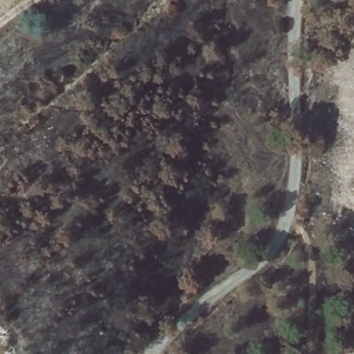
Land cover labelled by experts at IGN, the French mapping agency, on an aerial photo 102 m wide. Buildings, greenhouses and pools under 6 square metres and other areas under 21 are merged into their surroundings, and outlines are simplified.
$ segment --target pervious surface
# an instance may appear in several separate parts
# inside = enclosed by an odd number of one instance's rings
[[[301,159],[296,155],[290,156],[290,160],[288,189],[299,191]]]
[[[288,61],[293,61],[293,50],[301,44],[303,0],[289,0],[288,11],[289,17],[293,18],[293,28],[288,32]]]
[[[151,344],[144,354],[162,354],[171,342],[170,337],[166,336]]]
[[[41,0],[0,0],[0,28]]]
[[[300,97],[300,77],[295,75],[295,69],[292,68],[288,71],[289,102]]]
[[[295,220],[296,207],[290,207],[278,220],[277,228],[279,231],[296,232],[301,235],[304,243],[310,245],[308,235],[303,225]]]
[[[224,282],[207,290],[199,299],[199,303],[214,304],[235,286],[241,285],[243,281],[267,267],[267,261],[265,261],[260,261],[252,270],[246,270],[235,272]]]

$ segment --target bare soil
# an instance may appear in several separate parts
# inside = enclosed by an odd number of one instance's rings
[[[336,342],[354,353],[354,286],[351,290],[347,289],[344,295],[344,300],[348,303],[348,313],[351,314],[351,322],[339,326],[335,333]]]
[[[122,201],[122,198],[119,198],[119,183],[106,185],[106,178],[95,180],[95,174],[100,173],[100,169],[94,169],[87,174],[87,184],[79,188],[79,198],[73,198],[72,206],[64,216],[61,216],[62,224],[68,225],[68,248],[44,256],[43,250],[37,252],[25,248],[17,241],[0,249],[0,354],[144,354],[151,344],[166,336],[170,337],[171,342],[162,354],[281,354],[281,342],[279,336],[275,335],[272,324],[274,317],[281,317],[281,310],[285,308],[293,311],[288,317],[288,322],[290,326],[295,326],[299,330],[300,337],[299,342],[290,343],[290,347],[297,348],[300,354],[326,354],[324,303],[328,297],[340,293],[340,288],[336,283],[328,283],[328,278],[325,277],[326,265],[321,252],[310,245],[304,243],[301,235],[296,232],[279,231],[277,228],[261,228],[257,234],[248,234],[242,231],[241,227],[245,224],[248,194],[254,194],[254,198],[264,196],[263,213],[278,220],[290,207],[296,207],[295,220],[303,225],[308,235],[313,234],[313,231],[318,232],[321,228],[332,232],[336,248],[343,249],[344,270],[354,274],[354,48],[351,48],[346,61],[339,61],[335,66],[330,66],[324,55],[319,54],[311,61],[303,62],[303,59],[299,58],[301,44],[293,50],[293,61],[288,61],[288,32],[293,28],[293,18],[289,17],[288,11],[289,0],[41,0],[0,28],[0,195],[19,198],[18,184],[14,176],[21,173],[24,173],[32,184],[36,180],[53,180],[53,184],[71,184],[72,177],[68,170],[75,156],[72,151],[57,151],[59,138],[64,140],[71,131],[75,131],[82,123],[80,115],[86,115],[86,111],[91,111],[94,106],[97,108],[102,102],[111,102],[109,95],[115,94],[118,90],[113,87],[113,77],[119,77],[119,83],[126,82],[130,73],[136,71],[136,65],[144,62],[152,50],[162,53],[171,41],[183,37],[187,22],[194,22],[194,29],[203,40],[214,43],[214,51],[218,55],[218,61],[209,62],[202,68],[203,77],[183,73],[171,79],[173,86],[196,83],[199,88],[205,90],[205,95],[199,102],[205,106],[206,116],[212,123],[203,122],[201,133],[192,133],[188,130],[183,134],[185,144],[191,148],[187,151],[187,162],[180,167],[184,173],[188,173],[188,178],[184,178],[187,184],[183,191],[178,194],[178,189],[170,185],[163,187],[163,196],[171,210],[160,223],[169,227],[169,238],[160,241],[158,236],[149,231],[149,224],[153,221],[155,213],[148,209],[141,196],[134,195],[131,203]],[[300,97],[289,102],[288,71],[292,68],[295,69],[295,75],[300,77]],[[278,112],[278,119],[282,123],[292,118],[293,126],[299,131],[300,136],[313,142],[310,148],[301,149],[296,155],[301,159],[299,191],[288,189],[290,160],[285,155],[271,152],[265,147],[264,138],[252,127],[254,118],[274,111]],[[246,270],[245,260],[239,257],[236,243],[249,241],[249,245],[256,246],[257,249],[265,249],[265,261],[267,261],[277,260],[282,253],[288,253],[290,241],[296,242],[295,250],[299,252],[299,260],[308,261],[308,270],[293,270],[289,265],[282,265],[279,268],[267,267],[243,281],[241,285],[235,286],[214,304],[199,303],[199,299],[207,290],[224,282],[235,272]]]

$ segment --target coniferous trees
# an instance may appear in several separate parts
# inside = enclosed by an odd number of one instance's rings
[[[249,241],[236,243],[239,257],[245,260],[246,270],[252,270],[260,261],[265,261],[265,249],[257,249],[256,246],[249,245]]]
[[[278,220],[263,213],[264,196],[254,198],[254,194],[248,194],[245,224],[241,227],[242,231],[248,234],[257,234],[261,228],[277,228]]]
[[[205,106],[199,102],[205,95],[205,90],[199,88],[196,83],[173,86],[171,79],[183,73],[203,77],[202,68],[209,62],[218,61],[218,55],[214,51],[214,43],[203,40],[194,29],[194,22],[187,22],[183,37],[171,41],[162,53],[152,50],[144,62],[136,65],[136,71],[130,73],[126,82],[119,83],[119,77],[113,77],[113,87],[118,90],[115,94],[109,95],[111,102],[102,102],[97,108],[94,106],[91,111],[86,111],[86,115],[80,115],[82,123],[75,131],[71,131],[64,140],[59,138],[57,151],[72,151],[75,156],[68,170],[72,177],[71,184],[53,184],[53,180],[36,180],[32,184],[24,173],[21,173],[14,176],[18,184],[19,198],[0,195],[0,249],[17,241],[25,248],[37,252],[43,250],[44,256],[68,248],[68,225],[62,224],[61,216],[64,216],[72,206],[73,198],[79,198],[79,188],[87,184],[87,174],[94,169],[100,169],[100,173],[95,174],[95,180],[106,178],[106,185],[119,183],[119,198],[122,198],[122,201],[131,203],[134,195],[141,196],[148,209],[155,213],[153,221],[149,224],[149,231],[158,236],[160,241],[169,238],[169,227],[160,223],[171,210],[163,196],[163,187],[170,185],[178,189],[178,194],[183,191],[187,184],[184,178],[188,178],[188,173],[184,173],[180,167],[187,162],[187,151],[191,148],[185,144],[183,134],[188,130],[192,133],[201,133],[203,122],[212,123],[206,116]]]
[[[295,250],[296,242],[290,241],[288,253],[282,253],[277,260],[267,261],[267,267],[279,268],[282,265],[289,265],[293,270],[308,270],[308,261],[299,260],[299,252]]]
[[[328,283],[336,283],[340,288],[340,293],[328,297],[324,303],[326,354],[354,354],[354,353],[336,342],[335,333],[339,326],[351,322],[351,314],[348,313],[348,303],[344,300],[344,295],[347,289],[351,290],[354,286],[354,274],[344,270],[343,249],[336,248],[332,232],[321,228],[318,232],[313,231],[313,234],[308,235],[310,245],[321,252],[326,265],[325,277],[328,278]]]
[[[299,330],[295,326],[290,326],[288,322],[288,317],[293,311],[285,308],[281,310],[281,317],[274,317],[272,324],[275,335],[279,336],[281,342],[281,354],[300,354],[297,348],[290,347],[290,343],[299,342],[300,337]]]
[[[265,147],[271,152],[285,155],[290,160],[290,156],[296,155],[301,149],[310,148],[313,142],[300,136],[299,131],[293,126],[292,118],[282,123],[278,119],[278,112],[274,111],[254,118],[252,127],[264,138]]]
[[[335,66],[339,61],[346,61],[351,48],[354,48],[354,0],[303,0],[301,44],[299,58],[303,59],[303,62],[311,61],[319,54],[324,55],[330,66]]]

